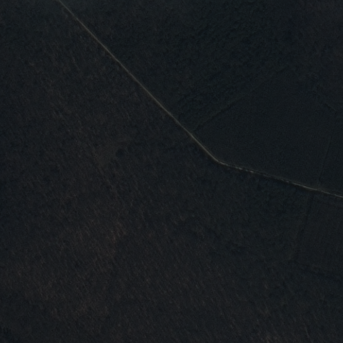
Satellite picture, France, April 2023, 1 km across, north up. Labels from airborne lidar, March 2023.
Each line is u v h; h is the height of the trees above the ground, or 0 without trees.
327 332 27
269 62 24
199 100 16
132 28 18
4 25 21
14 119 20
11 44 23
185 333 25
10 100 17
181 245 27
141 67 24
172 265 29
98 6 23
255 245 25
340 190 9
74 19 23
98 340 21
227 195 27
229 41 25
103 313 24
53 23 21
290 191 19
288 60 26
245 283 28
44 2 23
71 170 20
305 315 22
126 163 23
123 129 19
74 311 21
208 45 24
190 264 29
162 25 20
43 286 22
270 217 24
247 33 21
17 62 20
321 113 13
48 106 20
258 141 16
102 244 22
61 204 21
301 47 21
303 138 14
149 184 26
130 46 23
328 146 10
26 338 21
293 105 15
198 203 25
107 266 24
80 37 21
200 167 26
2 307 23
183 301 27
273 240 27
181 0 24
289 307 26
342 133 13
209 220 25
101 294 21
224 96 23
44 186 22
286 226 25
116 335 27
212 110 22
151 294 29
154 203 24
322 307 26
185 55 23
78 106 20
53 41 25
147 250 26
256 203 23
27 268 23
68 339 25
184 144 18
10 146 25
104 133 16
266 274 27
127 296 26
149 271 30
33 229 21
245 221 21
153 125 20
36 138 24
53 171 22
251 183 27
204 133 15
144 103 26
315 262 8
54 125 21
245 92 20
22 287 23
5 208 26
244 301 28
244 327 27
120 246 21
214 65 16
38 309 22
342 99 23
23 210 22
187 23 18
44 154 21
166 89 28
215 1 28
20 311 24
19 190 21
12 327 18
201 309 27
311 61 20
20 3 22
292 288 25
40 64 21
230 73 25
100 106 23
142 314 27
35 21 22
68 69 25
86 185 23
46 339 18
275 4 20
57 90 23
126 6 25
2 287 22
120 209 21
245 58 22
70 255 22
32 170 24
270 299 24
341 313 29
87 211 22
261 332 26
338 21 21
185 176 23
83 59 23
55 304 22
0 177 21
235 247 16
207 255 28
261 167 16
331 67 20
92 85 23
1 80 19
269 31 28
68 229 21
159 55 26
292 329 30
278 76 16
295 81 15
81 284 25
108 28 25
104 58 24
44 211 18
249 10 23
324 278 26
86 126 19
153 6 26
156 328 27
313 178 15
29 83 19
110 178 22
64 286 23
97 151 20
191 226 18
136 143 18
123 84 18
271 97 13
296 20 16
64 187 18
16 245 22
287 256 27
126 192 21
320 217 13
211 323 27
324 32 20
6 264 21
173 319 29
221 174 26
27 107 22
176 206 27
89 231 23
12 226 22
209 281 31
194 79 23
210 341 25
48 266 14
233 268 29
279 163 16
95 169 21
